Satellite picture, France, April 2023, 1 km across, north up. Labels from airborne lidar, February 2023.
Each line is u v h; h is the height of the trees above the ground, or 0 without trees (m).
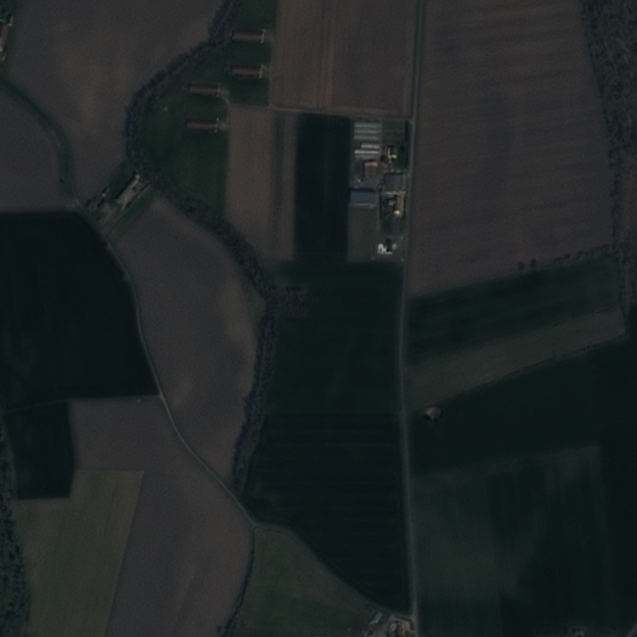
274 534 0
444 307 0
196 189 0
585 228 0
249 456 15
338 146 0
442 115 0
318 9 0
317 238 0
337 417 0
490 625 0
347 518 0
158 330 0
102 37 0
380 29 0
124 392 0
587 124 0
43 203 0
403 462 0
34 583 0
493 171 0
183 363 0
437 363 0
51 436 0
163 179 14
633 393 0
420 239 0
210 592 0
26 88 0
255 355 0
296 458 0
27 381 0
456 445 0
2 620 19
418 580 0
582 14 6
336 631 0
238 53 0
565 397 0
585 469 0
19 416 0
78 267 0
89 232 0
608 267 0
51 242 0
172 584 0
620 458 0
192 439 0
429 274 0
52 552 0
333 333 0
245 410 0
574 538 0
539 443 0
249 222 0
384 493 0
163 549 0
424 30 0
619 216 15
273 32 0
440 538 0
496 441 0
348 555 0
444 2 0
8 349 0
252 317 0
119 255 0
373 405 0
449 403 0
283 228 0
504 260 0
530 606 0
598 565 0
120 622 0
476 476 0
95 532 0
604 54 9
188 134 0
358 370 0
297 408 0
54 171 0
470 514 0
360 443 0
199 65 10
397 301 0
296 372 0
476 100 0
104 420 0
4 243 0
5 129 0
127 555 0
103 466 0
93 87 0
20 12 0
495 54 0
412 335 0
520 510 0
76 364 0
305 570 0
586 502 0
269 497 0
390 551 0
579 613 0
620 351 0
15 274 0
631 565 0
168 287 0
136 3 0
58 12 0
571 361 0
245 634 0
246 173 0
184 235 0
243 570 0
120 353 0
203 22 0
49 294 0
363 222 0
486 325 0
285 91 0
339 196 0
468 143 0
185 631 0
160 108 0
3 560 15
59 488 0
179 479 0
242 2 12
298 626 0
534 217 0
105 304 0
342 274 0
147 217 0
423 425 0
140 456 0
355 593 0
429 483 0
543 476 0
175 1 0
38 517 0
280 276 0
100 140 0
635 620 0
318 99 0
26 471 0
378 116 0
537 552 0
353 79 0
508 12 0
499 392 0
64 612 0
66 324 0
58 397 0
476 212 0
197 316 0
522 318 0
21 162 0
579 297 0
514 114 0
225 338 0
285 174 0
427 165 0
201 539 0
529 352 0
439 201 0
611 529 0
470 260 0
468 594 0
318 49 0
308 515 0
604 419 0
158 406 0
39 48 0
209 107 0
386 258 0
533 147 0
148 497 0
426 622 0
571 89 0
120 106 0
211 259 0
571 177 0
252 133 0
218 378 0
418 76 0
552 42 0
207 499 0
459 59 0
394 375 0
